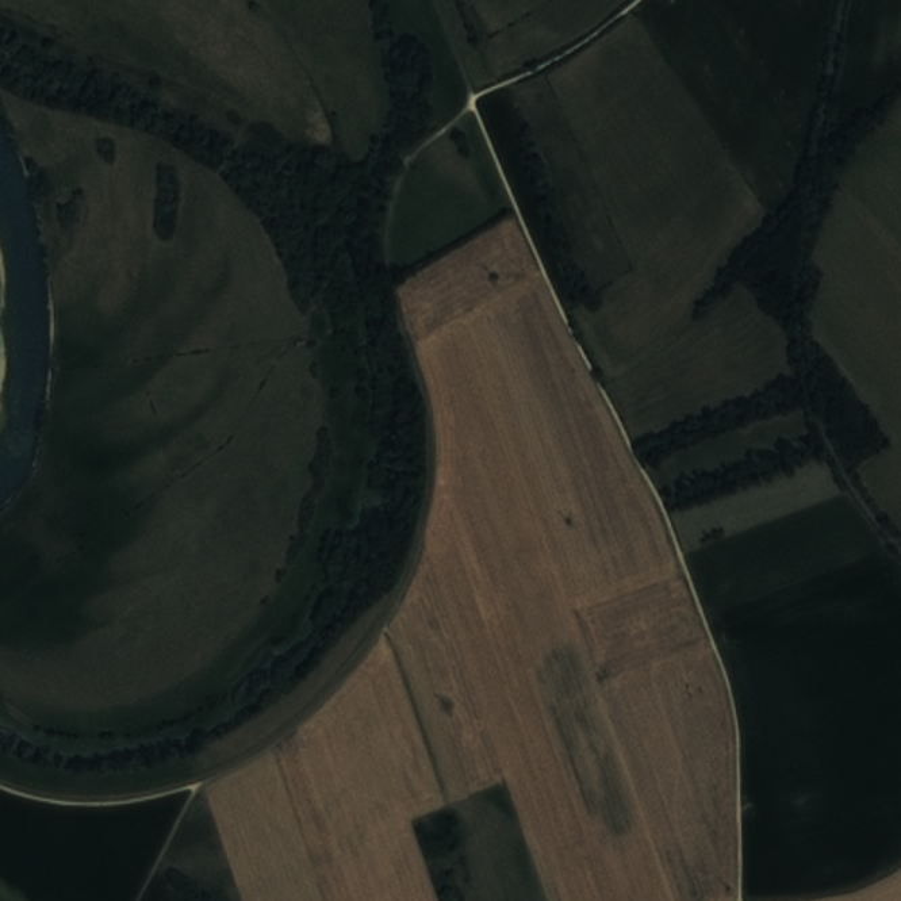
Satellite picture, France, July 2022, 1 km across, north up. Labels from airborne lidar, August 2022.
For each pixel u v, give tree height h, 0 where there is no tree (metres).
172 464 0
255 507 0
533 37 0
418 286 0
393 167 10
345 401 0
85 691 0
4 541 0
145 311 0
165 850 0
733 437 0
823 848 0
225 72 0
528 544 0
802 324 18
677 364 0
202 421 0
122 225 0
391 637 0
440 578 0
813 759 0
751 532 0
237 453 0
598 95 0
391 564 19
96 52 0
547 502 0
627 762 0
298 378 0
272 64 0
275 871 0
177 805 0
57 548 0
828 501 0
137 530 0
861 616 0
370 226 27
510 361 0
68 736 7
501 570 0
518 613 0
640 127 0
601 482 0
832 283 0
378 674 0
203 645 0
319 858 0
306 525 6
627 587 0
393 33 7
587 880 0
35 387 0
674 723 0
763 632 0
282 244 12
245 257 0
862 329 0
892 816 0
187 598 0
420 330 0
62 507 0
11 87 5
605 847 0
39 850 0
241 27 0
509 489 0
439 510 0
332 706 0
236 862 0
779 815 0
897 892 0
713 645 0
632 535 0
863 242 0
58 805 0
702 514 0
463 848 0
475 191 0
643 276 0
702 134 0
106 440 0
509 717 0
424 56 21
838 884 0
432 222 0
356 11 0
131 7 0
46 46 11
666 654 0
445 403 0
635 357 0
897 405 0
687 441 7
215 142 14
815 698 0
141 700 0
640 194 0
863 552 0
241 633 0
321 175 15
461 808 0
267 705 9
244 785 0
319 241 12
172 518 0
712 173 0
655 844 0
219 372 0
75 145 0
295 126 0
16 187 0
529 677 0
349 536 11
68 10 0
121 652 0
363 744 0
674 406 0
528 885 0
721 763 0
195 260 0
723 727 0
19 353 0
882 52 0
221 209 0
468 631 0
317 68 0
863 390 0
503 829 0
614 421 0
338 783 0
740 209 0
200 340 0
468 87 0
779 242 21
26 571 0
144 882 0
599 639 0
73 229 0
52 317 0
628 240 0
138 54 0
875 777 0
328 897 0
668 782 0
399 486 20
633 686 0
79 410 0
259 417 0
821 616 0
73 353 0
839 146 25
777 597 0
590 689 0
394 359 17
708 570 0
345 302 11
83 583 0
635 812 0
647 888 0
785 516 0
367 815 0
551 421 0
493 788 0
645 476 0
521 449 0
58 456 0
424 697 0
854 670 0
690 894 0
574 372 0
